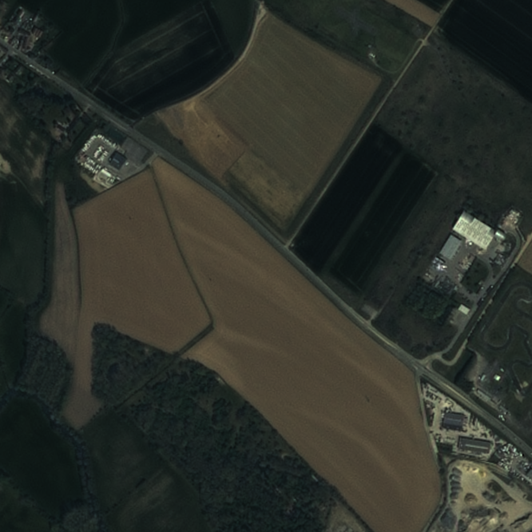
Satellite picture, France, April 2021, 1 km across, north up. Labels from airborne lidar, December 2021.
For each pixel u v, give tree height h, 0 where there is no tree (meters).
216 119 0
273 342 0
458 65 0
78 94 0
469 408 0
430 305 22
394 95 0
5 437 0
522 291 0
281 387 0
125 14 0
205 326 0
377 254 0
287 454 0
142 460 0
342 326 0
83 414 0
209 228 0
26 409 0
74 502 0
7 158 0
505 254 0
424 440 0
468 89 0
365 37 0
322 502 7
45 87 19
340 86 0
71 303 0
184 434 9
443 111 0
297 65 0
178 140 0
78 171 0
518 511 0
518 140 0
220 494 26
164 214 0
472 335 6
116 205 0
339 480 0
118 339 24
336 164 0
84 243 0
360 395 0
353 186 0
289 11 0
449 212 0
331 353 0
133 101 0
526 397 0
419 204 0
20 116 0
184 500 0
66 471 0
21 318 0
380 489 0
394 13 0
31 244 0
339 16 0
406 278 0
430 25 0
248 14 0
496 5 0
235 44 0
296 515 20
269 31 0
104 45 0
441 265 0
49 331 0
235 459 16
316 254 0
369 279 0
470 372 0
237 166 0
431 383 0
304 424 0
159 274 0
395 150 0
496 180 0
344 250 0
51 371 28
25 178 0
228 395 0
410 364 0
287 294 0
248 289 0
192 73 0
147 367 18
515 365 0
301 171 0
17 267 0
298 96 0
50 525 12
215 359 0
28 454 0
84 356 0
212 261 0
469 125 0
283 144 0
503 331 0
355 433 0
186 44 0
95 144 0
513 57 0
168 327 0
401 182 0
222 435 9
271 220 0
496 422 0
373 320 0
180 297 0
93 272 0
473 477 0
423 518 0
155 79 0
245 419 19
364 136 0
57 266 0
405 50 0
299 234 0
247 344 0
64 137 13
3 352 0
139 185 0
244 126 0
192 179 0
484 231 0
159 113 0
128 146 0
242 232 0
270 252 0
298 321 0
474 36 0
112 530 0
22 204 0
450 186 0
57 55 0
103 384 13
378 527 0
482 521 0
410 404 0
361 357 0
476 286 7
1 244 0
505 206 0
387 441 0
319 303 0
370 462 0
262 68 0
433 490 0
